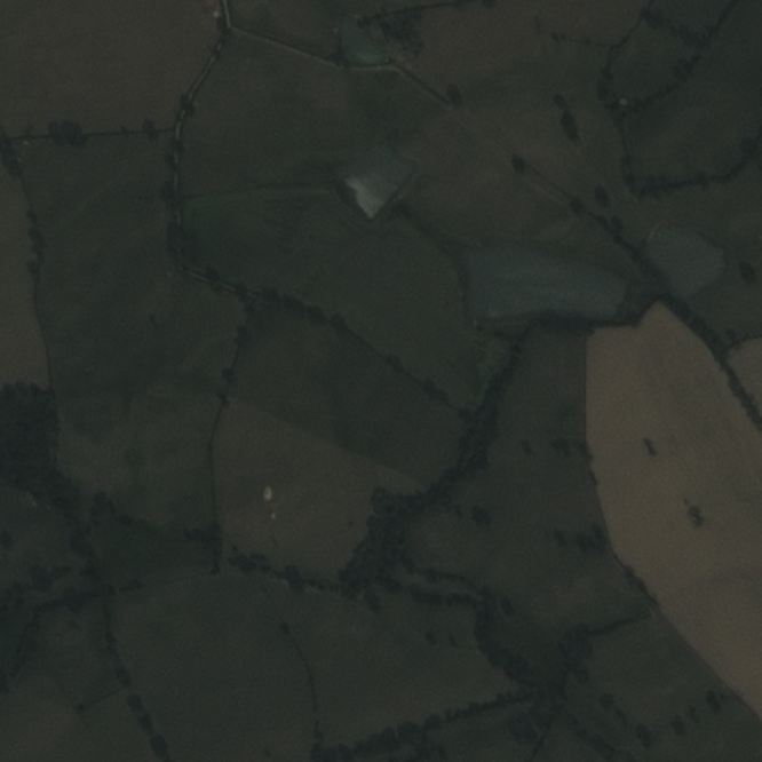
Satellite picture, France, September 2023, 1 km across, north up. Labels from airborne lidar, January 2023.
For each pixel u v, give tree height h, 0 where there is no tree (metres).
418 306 0
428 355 0
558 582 0
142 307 0
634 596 0
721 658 0
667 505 0
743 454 0
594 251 0
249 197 0
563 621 0
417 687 0
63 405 0
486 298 0
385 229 0
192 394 0
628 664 0
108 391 0
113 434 0
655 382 0
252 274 0
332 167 0
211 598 0
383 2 0
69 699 0
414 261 0
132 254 0
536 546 0
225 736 0
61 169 0
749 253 0
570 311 0
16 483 19
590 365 0
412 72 0
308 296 0
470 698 0
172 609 0
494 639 0
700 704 0
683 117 0
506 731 0
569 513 0
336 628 0
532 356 0
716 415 0
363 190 0
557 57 0
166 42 0
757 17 0
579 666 13
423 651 0
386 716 0
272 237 0
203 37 0
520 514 0
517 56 0
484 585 0
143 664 0
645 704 0
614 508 0
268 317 0
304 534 0
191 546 0
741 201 0
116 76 0
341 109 0
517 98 0
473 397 0
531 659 0
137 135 0
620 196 0
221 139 0
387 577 7
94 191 0
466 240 0
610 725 0
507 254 0
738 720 0
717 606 0
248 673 0
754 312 0
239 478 0
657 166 0
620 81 0
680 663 0
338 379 0
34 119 0
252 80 0
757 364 0
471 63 0
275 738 0
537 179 0
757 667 0
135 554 0
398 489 0
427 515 0
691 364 0
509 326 0
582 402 0
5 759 0
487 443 8
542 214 0
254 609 0
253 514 0
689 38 20
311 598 0
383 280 0
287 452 0
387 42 0
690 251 0
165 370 0
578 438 0
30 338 0
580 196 0
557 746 0
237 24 0
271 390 0
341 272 0
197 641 0
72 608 19
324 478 0
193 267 0
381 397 0
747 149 16
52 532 0
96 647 0
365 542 6
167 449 0
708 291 0
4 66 0
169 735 0
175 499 0
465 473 7
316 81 0
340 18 0
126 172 0
